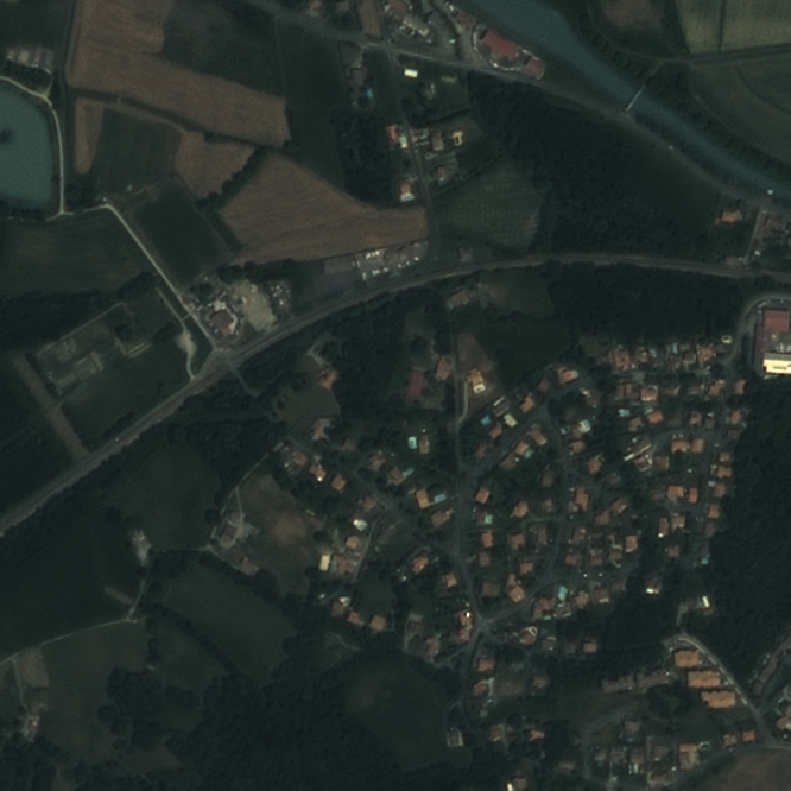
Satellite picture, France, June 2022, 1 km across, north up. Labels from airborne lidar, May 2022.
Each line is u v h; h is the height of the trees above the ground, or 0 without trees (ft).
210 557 26
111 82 0
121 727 43
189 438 33
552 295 45
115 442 0
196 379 0
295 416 0
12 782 63
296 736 77
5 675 0
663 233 62
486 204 0
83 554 0
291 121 23
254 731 67
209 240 0
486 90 52
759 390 38
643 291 60
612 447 34
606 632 52
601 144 53
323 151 0
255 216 0
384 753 46
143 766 0
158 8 0
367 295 0
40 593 0
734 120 0
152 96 0
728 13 0
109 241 0
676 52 0
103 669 0
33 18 0
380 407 30
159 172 0
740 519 21
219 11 0
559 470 30
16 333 54
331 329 49
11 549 56
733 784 0
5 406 31
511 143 73
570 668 64
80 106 0
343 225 0
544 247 89
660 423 0
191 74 0
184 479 0
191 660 0
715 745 0
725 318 40
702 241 30
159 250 0
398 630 32
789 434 76
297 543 0
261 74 0
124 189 0
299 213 0
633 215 58
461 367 0
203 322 0
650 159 0
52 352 0
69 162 0
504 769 47
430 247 0
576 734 19
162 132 0
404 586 45
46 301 47
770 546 51
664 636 18
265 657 0
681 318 62
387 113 0
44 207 0
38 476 36
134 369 0
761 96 0
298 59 0
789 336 0
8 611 0
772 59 0
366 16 0
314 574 50
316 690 61
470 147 0
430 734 0
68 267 0
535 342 0
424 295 59
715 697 0
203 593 0
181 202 0
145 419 0
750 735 0
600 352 0
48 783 48
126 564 0
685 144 29
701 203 0
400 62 22
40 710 0
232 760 65
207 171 0
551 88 0
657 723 0
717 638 42
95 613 0
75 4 0
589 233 77
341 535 0
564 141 79
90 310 47
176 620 53
